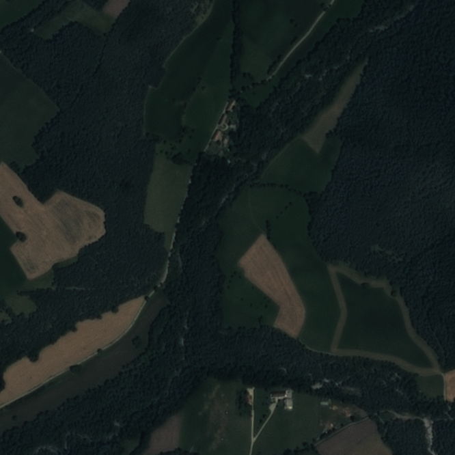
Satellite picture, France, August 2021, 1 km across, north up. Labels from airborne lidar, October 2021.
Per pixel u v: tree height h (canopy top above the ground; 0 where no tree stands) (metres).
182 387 20
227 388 0
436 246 21
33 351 15
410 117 20
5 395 0
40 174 22
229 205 11
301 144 0
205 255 15
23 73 7
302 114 9
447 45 29
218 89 0
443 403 8
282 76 0
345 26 17
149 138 15
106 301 12
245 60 0
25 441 11
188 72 0
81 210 0
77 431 9
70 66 31
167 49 11
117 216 14
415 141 21
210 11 0
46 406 0
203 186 23
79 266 10
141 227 12
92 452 20
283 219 0
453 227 15
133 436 17
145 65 14
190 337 12
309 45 0
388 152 18
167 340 15
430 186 9
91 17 0
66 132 21
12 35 17
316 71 11
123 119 11
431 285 18
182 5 12
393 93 21
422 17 27
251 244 0
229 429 0
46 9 17
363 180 15
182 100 0
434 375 0
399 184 14
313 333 0
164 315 12
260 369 9
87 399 12
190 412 0
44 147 24
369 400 11
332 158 0
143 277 12
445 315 18
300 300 0
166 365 17
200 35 0
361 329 0
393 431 12
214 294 13
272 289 0
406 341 0
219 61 0
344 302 0
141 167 20
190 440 0
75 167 24
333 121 0
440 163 10
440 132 25
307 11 0
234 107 12
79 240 0
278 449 0
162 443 0
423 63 20
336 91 15
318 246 12
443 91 12
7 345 12
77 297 11
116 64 14
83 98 28
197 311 13
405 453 11
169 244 0
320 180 0
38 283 0
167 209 0
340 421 0
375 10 19
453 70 23
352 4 0
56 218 0
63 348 0
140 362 14
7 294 0
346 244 16
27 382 0
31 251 0
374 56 16
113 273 13
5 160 0
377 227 15
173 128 0
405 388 16
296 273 0
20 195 0
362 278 0
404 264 15
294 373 10
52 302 11
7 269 0
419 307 18
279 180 0
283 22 0
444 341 13
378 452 0
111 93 15
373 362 7
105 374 0
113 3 0
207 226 8
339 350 0
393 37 25
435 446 10
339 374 11
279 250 0
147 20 18
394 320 0
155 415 16
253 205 0
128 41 20
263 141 9
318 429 0
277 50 0
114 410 17
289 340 9
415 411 15
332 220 11
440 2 29
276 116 10
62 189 13
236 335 9
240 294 0
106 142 15
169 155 9
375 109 14
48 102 0
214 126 0
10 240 0
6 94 0
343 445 0
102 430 14
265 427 0
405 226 12
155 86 15
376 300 0
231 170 14
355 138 19
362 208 14
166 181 0
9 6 0
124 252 11
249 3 0
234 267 0
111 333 0
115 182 15
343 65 8
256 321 0
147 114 0
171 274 10
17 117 0
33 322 13
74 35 26
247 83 0
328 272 0
